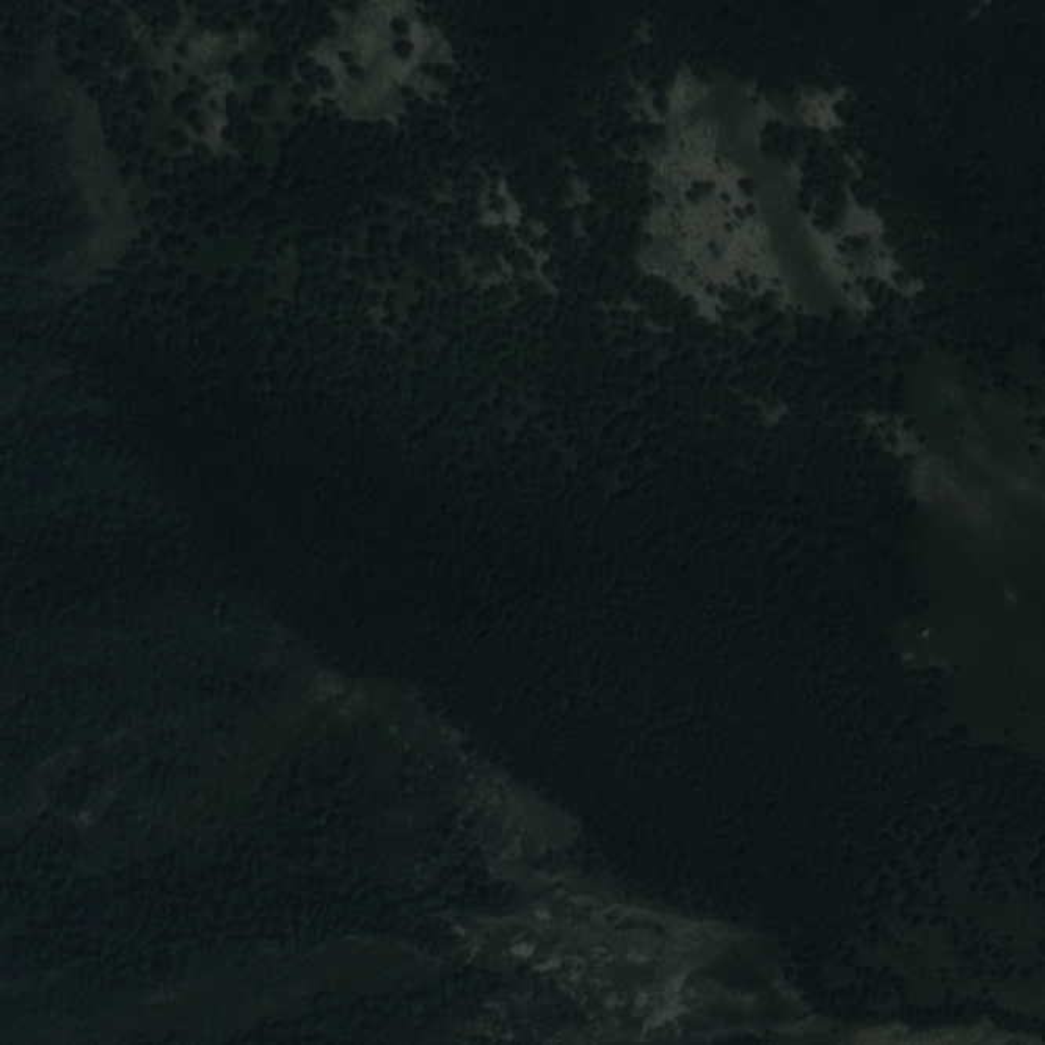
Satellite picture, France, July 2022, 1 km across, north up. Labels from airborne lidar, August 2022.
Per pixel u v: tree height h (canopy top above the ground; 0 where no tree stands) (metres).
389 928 21
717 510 19
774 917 18
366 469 26
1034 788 25
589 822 13
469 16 20
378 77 0
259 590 14
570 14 22
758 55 20
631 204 14
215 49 0
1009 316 19
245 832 6
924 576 0
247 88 0
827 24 14
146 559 22
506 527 19
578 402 11
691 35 14
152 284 17
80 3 14
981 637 0
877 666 17
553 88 17
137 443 15
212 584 14
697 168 0
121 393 19
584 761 20
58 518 7
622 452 12
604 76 14
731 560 23
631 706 20
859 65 15
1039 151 18
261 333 18
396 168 21
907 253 9
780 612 19
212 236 16
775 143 9
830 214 11
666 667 20
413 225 13
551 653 25
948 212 18
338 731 6
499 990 9
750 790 15
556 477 13
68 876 17
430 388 14
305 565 19
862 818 14
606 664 22
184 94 7
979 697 0
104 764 6
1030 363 0
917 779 18
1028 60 20
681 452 14
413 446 12
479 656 28
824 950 13
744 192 13
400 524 22
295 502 28
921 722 17
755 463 10
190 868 7
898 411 11
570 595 22
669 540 19
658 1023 0
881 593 18
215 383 19
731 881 16
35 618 11
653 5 14
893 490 13
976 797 15
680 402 15
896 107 16
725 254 0
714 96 0
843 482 15
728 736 16
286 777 6
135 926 14
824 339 16
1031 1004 0
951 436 0
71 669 10
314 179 22
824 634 20
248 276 9
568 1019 8
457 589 25
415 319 14
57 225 13
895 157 16
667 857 16
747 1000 0
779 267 0
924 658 0
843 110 14
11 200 14
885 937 10
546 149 16
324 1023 7
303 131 17
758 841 18
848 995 13
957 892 0
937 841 12
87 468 6
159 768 13
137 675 6
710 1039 0
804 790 17
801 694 19
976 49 21
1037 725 0
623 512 19
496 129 16
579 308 15
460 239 11
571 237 14
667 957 0
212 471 22
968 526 0
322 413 21
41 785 8
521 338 12
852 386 11
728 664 18
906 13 16
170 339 11
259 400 21
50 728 13
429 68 9
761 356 19
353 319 9
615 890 0
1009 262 16
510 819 0
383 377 14
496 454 11
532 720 22
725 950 0
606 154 12
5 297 15
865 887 12
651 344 9
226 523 27
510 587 21
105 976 16
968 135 16
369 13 0
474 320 12
